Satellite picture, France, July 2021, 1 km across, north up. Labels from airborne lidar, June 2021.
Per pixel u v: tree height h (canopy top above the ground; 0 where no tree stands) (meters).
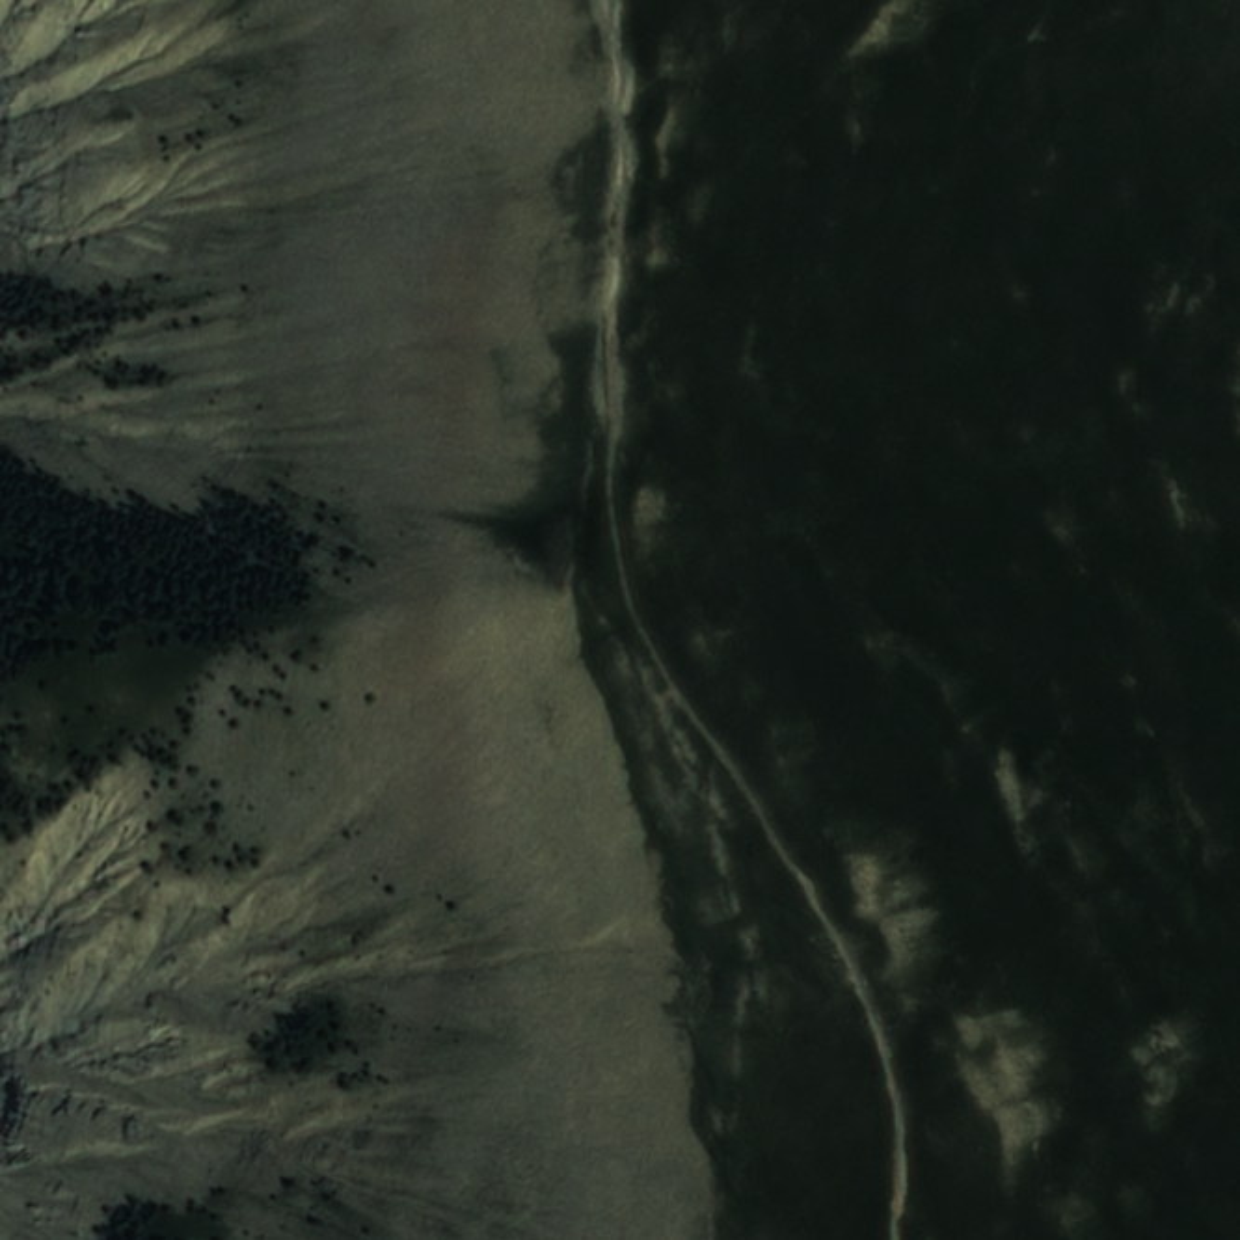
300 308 0
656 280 0
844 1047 0
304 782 0
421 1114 0
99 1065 0
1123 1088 0
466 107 0
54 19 0
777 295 0
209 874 0
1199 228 0
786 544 0
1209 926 0
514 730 0
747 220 0
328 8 0
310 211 0
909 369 0
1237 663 0
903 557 0
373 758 0
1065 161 0
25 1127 0
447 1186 0
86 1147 0
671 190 0
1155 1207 0
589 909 0
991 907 0
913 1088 0
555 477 0
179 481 0
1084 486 0
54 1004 0
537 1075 0
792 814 0
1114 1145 0
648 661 0
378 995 0
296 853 0
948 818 0
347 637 0
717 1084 0
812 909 0
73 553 24
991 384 0
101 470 0
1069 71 0
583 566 0
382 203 0
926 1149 0
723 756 0
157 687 0
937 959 0
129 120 0
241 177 0
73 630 0
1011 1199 0
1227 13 0
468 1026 0
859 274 0
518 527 0
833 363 0
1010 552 0
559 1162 0
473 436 0
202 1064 0
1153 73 0
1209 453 0
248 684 0
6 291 11
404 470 0
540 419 0
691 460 0
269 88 0
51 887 0
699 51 0
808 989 0
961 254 0
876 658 0
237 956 0
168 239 0
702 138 0
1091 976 0
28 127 0
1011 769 0
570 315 0
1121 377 0
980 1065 0
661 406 0
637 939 0
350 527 0
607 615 0
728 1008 0
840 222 0
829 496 0
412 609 0
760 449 0
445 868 0
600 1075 0
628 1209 0
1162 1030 0
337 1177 0
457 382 0
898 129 0
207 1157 0
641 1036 0
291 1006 0
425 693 0
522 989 0
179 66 0
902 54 0
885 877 0
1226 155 0
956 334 0
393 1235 0
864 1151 0
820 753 0
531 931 0
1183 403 0
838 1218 0
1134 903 0
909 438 0
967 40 0
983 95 0
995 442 0
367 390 0
